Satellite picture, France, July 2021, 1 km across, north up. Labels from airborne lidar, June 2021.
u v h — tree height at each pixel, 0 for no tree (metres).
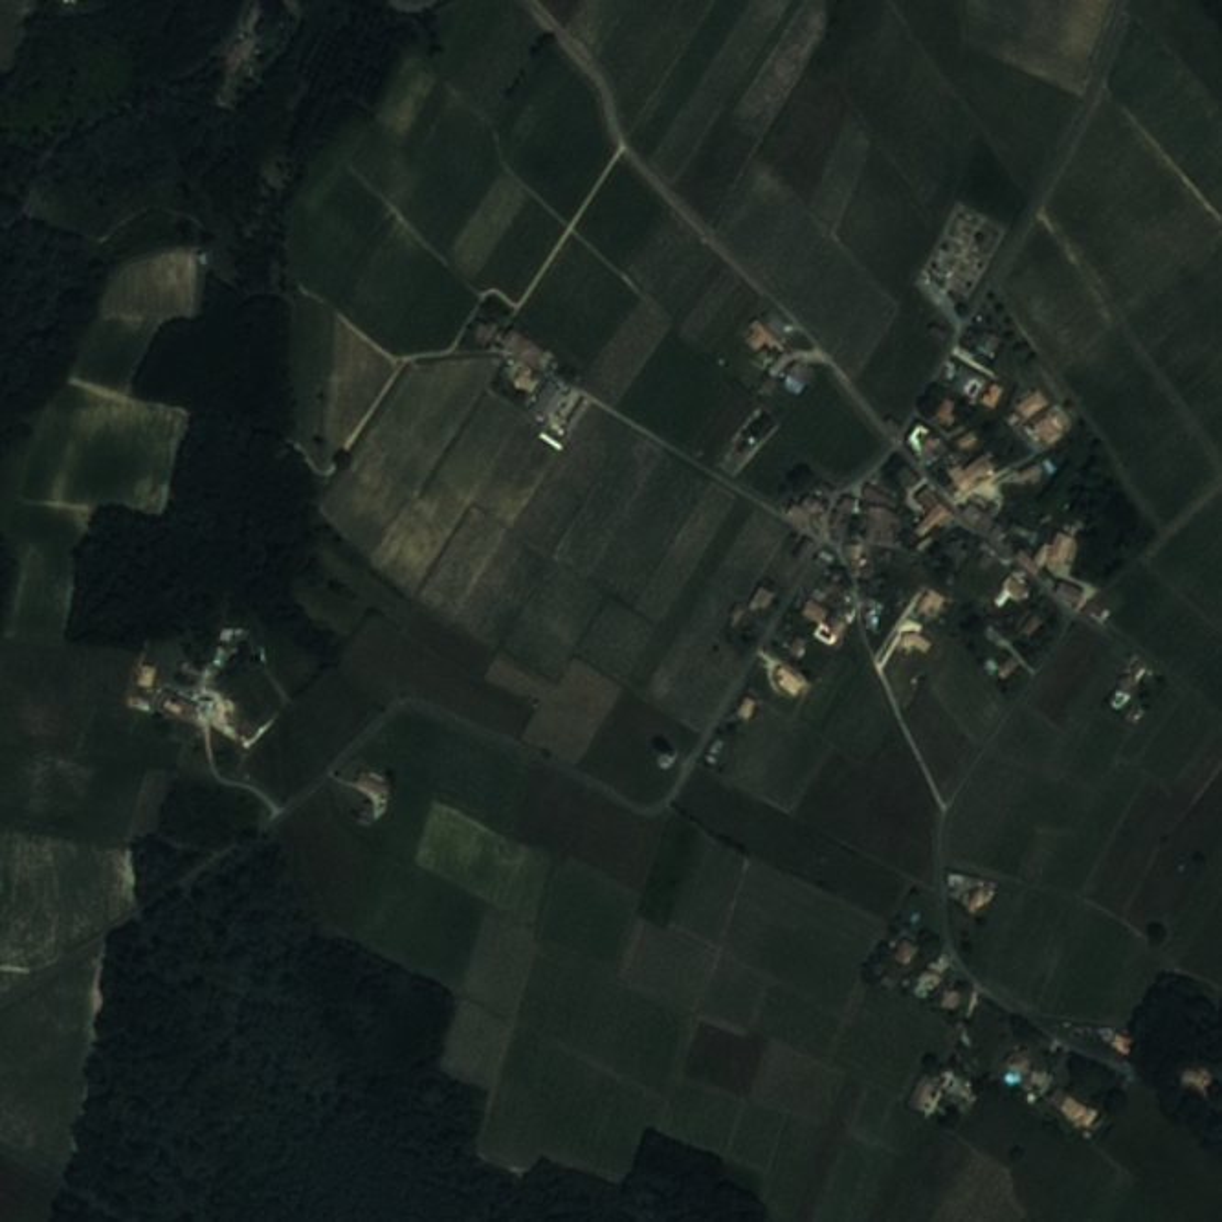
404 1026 18
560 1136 0
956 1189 0
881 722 0
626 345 0
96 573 13
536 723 0
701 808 0
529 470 0
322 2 22
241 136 15
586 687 0
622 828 0
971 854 0
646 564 0
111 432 0
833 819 0
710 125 0
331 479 0
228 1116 10
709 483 0
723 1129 0
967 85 0
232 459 18
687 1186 24
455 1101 9
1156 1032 21
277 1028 13
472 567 0
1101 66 0
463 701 0
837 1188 0
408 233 0
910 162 0
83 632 8
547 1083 0
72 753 0
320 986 25
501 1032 0
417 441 0
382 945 0
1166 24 0
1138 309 0
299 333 0
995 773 0
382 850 0
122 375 0
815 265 0
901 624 0
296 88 18
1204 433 0
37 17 8
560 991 0
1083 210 0
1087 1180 0
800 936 0
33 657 0
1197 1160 0
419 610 0
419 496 0
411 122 0
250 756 0
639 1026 0
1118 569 11
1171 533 0
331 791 0
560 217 0
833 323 0
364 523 0
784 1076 0
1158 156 0
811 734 0
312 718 0
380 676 0
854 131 0
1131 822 0
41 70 7
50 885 0
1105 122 0
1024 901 0
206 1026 17
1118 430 0
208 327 11
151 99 25
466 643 0
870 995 0
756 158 0
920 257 0
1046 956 0
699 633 0
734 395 0
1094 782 0
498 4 0
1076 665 0
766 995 0
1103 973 0
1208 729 0
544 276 0
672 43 0
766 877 0
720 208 0
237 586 10
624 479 0
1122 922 0
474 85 0
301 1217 16
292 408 15
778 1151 0
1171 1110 17
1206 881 0
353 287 0
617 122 0
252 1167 11
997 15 0
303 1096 20
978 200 0
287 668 0
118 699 0
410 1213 18
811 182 0
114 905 0
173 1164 27
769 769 0
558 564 0
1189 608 0
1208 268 0
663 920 0
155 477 0
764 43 0
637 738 0
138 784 0
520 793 0
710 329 0
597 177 0
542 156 0
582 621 0
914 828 0
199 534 13
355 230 0
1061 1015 0
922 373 0
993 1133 0
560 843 0
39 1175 0
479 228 0
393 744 0
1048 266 0
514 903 0
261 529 21
